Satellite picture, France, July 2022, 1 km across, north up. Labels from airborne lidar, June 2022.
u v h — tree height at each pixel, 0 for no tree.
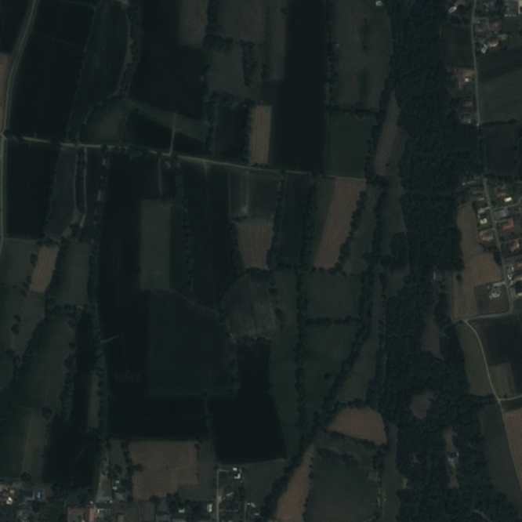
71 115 0
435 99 25
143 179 0
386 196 11
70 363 20
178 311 0
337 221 0
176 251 0
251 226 0
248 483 0
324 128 0
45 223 16
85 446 0
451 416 27
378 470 15
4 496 0
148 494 0
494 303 0
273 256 21
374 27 0
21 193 0
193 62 0
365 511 0
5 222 0
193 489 0
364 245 0
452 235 27
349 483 0
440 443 23
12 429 0
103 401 10
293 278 0
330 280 0
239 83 0
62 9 0
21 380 17
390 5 16
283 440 0
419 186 29
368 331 16
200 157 0
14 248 0
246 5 0
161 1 0
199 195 0
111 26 0
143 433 0
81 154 14
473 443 26
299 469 0
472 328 0
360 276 6
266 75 14
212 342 0
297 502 0
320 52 0
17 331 15
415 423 25
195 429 0
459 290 0
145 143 0
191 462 0
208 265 0
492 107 0
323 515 0
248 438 0
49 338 0
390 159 0
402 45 9
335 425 0
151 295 0
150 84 0
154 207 0
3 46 0
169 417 0
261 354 0
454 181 22
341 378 17
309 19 0
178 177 24
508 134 0
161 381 0
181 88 0
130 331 0
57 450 0
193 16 0
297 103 0
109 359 0
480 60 0
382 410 23
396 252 25
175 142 0
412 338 18
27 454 0
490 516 10
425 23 21
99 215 11
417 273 22
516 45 0
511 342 0
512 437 0
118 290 0
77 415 0
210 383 0
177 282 0
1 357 0
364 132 0
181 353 0
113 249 0
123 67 0
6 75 0
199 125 0
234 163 0
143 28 0
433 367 28
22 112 0
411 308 24
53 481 0
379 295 0
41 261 0
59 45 0
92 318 20
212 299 0
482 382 0
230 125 0
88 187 0
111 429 0
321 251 0
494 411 0
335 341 0
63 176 0
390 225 0
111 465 9
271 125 0
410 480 20
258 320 0
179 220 0
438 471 26
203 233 0
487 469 23
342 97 0
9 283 0
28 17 0
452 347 19
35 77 0
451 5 7
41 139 0
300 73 0
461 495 25
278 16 0
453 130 24
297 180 0
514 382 0
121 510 0
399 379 28
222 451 0
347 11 0
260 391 0
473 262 0
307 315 11
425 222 29
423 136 27
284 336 0
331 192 0
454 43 0
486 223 0
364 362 0
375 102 0
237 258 20
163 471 0
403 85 30
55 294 12
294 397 0
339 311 0
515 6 0
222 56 0
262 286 0
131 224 0
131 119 0
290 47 0
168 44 0
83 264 0
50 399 0
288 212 0
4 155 0
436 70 28
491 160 0
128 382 0
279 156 0
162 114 0
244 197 0
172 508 12
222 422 0
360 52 0
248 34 0
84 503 7
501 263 12
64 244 15
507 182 15
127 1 0
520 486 0
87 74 0
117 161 0
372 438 0
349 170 0
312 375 0
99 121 0
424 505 27
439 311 17
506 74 0
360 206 17
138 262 0
